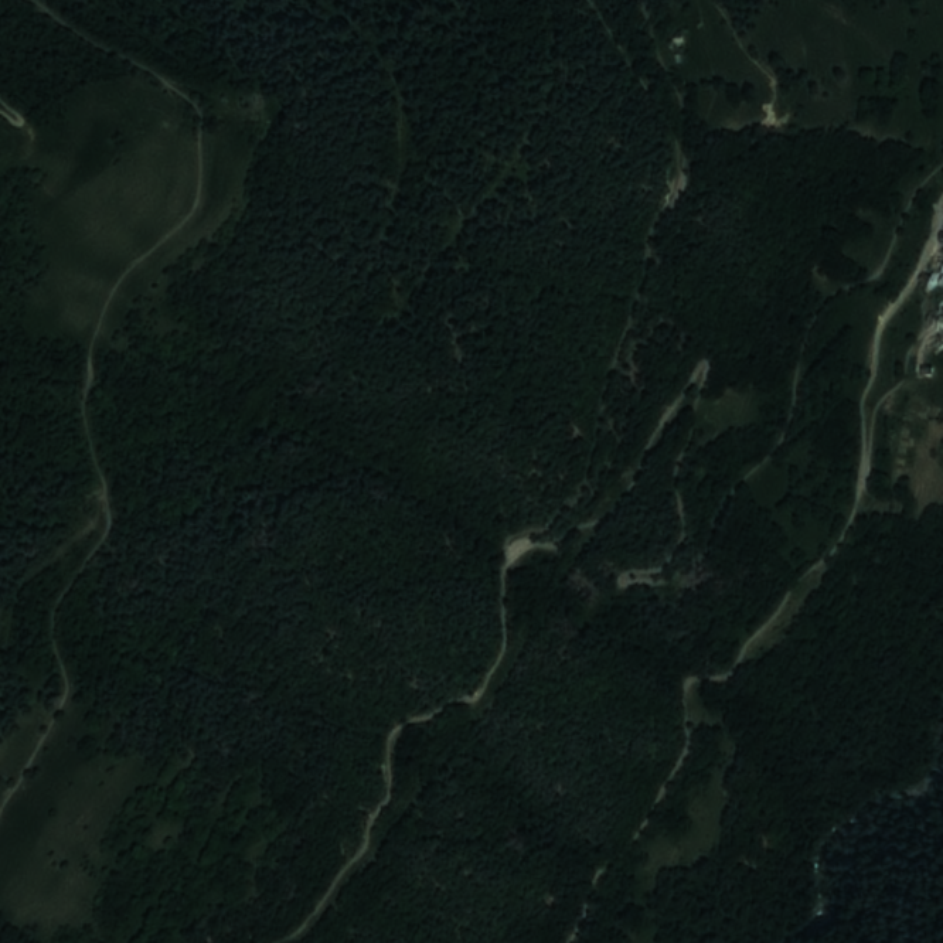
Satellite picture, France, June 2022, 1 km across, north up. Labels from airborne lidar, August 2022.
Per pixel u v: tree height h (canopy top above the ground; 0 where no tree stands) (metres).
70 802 0
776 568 21
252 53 31
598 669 19
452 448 11
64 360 12
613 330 17
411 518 22
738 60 0
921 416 0
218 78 13
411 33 29
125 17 7
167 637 16
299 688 16
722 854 22
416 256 26
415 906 19
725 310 19
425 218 32
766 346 24
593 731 15
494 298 28
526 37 13
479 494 18
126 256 0
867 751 18
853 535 15
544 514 13
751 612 23
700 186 22
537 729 13
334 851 20
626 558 17
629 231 18
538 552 6
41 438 8
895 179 13
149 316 8
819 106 0
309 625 18
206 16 30
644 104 29
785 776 31
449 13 34
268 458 20
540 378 25
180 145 0
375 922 18
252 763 26
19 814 0
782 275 24
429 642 11
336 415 28
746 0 18
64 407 6
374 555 15
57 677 12
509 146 22
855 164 20
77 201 0
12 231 14
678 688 22
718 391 21
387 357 25
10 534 26
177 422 20
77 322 0
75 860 0
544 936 26
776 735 10
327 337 16
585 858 20
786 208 18
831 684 28
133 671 19
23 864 0
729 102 8
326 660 11
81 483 13
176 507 23
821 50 0
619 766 19
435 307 24
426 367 23
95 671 19
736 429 9
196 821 17
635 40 19
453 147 23
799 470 18
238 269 27
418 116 11
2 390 18
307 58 24
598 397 13
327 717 23
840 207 28
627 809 15
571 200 23
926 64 11
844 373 24
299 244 13
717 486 21
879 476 20
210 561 27
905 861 38
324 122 27
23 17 7
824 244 25
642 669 28
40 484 31
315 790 13
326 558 17
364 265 24
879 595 21
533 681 14
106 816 0
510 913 18
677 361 21
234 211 7
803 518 21
